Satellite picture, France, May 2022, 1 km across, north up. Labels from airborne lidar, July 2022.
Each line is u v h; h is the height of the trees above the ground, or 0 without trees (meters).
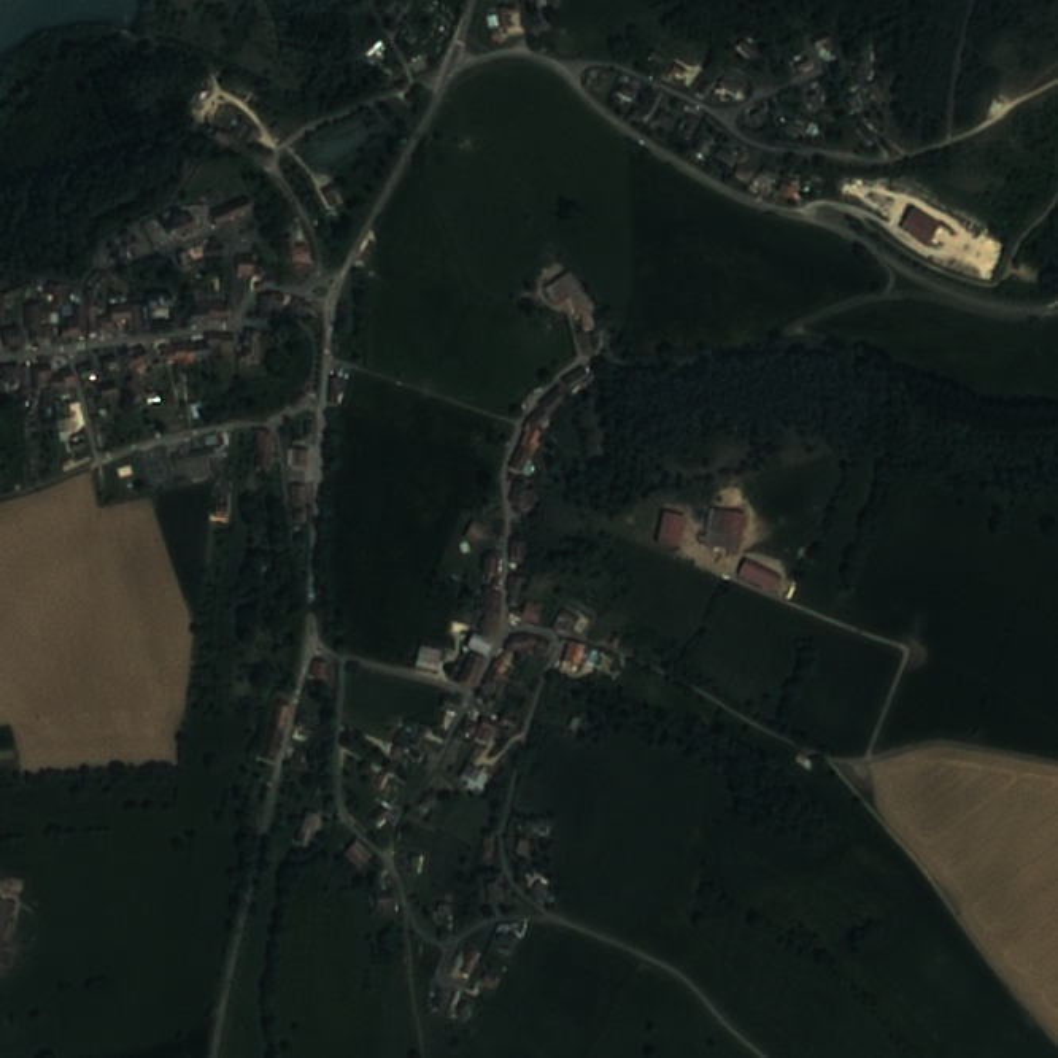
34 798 0
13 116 6
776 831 8
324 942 0
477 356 0
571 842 0
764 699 6
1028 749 0
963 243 0
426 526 0
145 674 0
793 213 0
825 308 0
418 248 0
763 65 9
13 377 0
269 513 18
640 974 0
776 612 0
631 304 0
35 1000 0
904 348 0
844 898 0
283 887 17
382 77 20
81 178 30
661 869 0
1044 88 0
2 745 0
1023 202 11
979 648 0
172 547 0
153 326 10
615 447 12
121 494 0
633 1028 0
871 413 18
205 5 6
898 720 0
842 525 0
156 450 0
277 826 8
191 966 0
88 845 0
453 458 0
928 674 0
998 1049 0
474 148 0
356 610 0
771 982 0
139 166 32
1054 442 8
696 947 0
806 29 6
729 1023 0
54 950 0
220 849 0
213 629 6
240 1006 0
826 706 0
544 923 0
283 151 0
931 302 0
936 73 6
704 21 10
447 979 0
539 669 0
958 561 0
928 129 7
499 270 0
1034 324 10
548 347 0
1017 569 0
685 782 0
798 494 0
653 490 11
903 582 0
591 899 0
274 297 0
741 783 16
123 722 0
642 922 0
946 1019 0
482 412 0
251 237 0
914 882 0
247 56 0
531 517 8
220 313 0
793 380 21
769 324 0
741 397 21
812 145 9
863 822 0
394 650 0
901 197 0
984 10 7
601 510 13
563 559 13
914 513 0
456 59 0
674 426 16
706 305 0
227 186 0
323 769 10
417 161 11
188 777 0
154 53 15
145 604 0
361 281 11
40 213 30
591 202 0
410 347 0
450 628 0
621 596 8
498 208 0
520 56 0
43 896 0
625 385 19
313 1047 0
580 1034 0
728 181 7
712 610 6
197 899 0
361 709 0
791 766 0
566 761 0
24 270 14
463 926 7
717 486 0
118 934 0
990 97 0
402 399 0
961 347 0
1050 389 0
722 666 0
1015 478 22
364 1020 0
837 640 0
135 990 0
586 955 0
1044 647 0
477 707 0
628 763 0
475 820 0
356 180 0
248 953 0
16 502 0
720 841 0
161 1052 0
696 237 0
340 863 10
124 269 15
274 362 8
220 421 12
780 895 0
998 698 0
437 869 0
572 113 0
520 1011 0
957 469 9
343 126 8
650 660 0
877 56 9
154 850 0
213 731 0
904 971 0
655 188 0
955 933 0
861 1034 0
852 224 15
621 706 15
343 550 0
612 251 0
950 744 0
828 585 0
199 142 19
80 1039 0
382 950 6
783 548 0
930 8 8
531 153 0
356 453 0
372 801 0
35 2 0
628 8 0
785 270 0
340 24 10
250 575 16
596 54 0
